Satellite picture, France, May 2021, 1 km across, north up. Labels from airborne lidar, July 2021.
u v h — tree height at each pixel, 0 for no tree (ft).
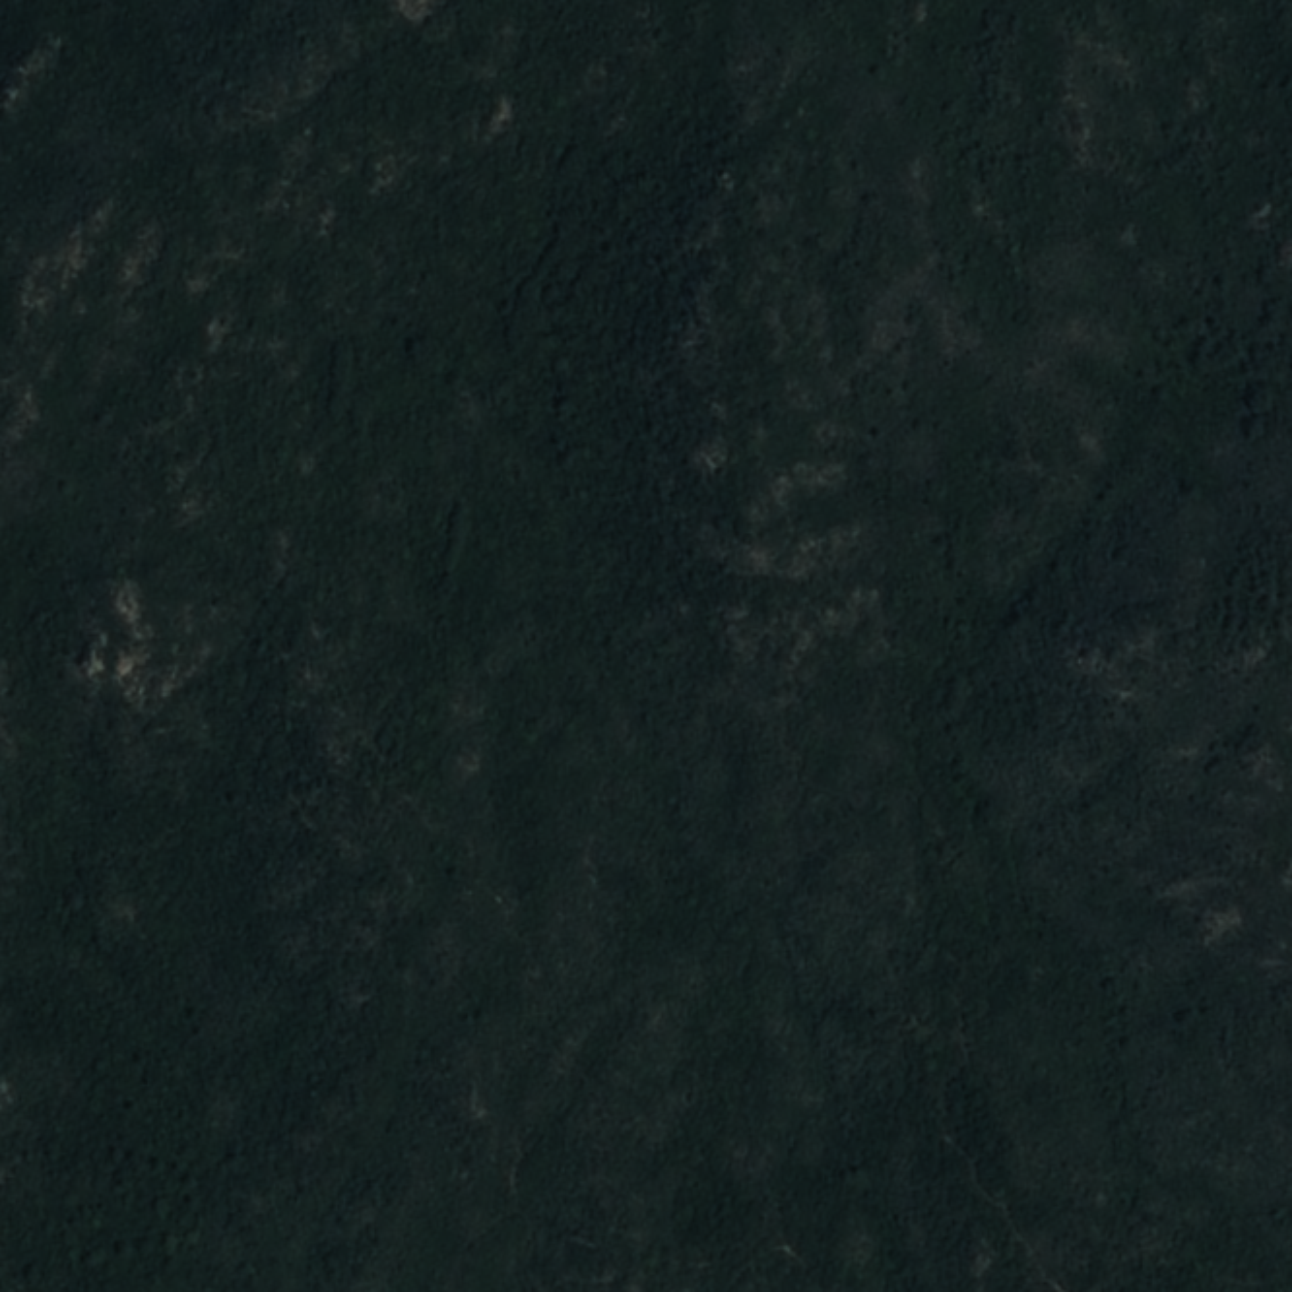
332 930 21
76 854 35
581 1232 26
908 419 20
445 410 26
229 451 38
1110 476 29
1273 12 19
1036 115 20
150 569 25
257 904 19
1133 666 19
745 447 28
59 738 29
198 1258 17
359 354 55
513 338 60
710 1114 20
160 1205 49
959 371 28
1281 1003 37
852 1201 39
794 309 27
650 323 27
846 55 18
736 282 25
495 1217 20
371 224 22
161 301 30
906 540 25
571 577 26
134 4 23
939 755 29
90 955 26
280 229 28
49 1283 21
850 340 27
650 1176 19
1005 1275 23
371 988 22
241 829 23
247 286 20
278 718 25
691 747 20
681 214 20
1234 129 22
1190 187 26
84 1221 21
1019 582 22
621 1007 20
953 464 32
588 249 26
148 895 20
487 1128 20
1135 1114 33
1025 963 20
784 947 28
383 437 27
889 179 18
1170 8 23
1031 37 21
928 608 29
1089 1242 18
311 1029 25
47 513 20
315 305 20
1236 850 24
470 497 22
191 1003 24
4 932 31
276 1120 26
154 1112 36
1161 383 33
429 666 21
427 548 33
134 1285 19
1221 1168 24
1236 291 25
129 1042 21
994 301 19
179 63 20
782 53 23
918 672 22
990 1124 19
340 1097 23
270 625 24
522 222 22
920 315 27
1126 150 22
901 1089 31
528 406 36
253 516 20
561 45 21
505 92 31
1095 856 19
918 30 22
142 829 19
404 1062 17
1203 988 27
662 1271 22
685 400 26
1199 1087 26
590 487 36
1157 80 26
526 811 33
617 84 22
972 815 18
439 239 46
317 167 26
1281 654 42
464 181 28
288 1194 23
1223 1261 18
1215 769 43
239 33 31
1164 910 23
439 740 22
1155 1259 18
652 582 20
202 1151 25
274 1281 20
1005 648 27
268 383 35
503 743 24
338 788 29
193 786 23
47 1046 19
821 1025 21
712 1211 24
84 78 25
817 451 31
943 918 26
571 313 45
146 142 18
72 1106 27
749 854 24
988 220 23
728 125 25
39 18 19
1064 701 22
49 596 21
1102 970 22
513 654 22
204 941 19
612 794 30
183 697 31
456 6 45
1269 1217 19
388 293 29
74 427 20
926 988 18
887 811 24
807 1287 19
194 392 28
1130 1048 58
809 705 42
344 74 28
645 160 22
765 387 24
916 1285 30
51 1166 26
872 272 30
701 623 24
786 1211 27
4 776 26
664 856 39
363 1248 29
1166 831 24
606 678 29
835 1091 25
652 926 19
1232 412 19
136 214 30
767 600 23
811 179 19
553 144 27
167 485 24
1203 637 34
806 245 29
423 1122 22
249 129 25
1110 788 23
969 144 21
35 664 31
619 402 31
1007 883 17
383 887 22
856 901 17
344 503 26
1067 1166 21
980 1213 22
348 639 22
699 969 19
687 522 24
